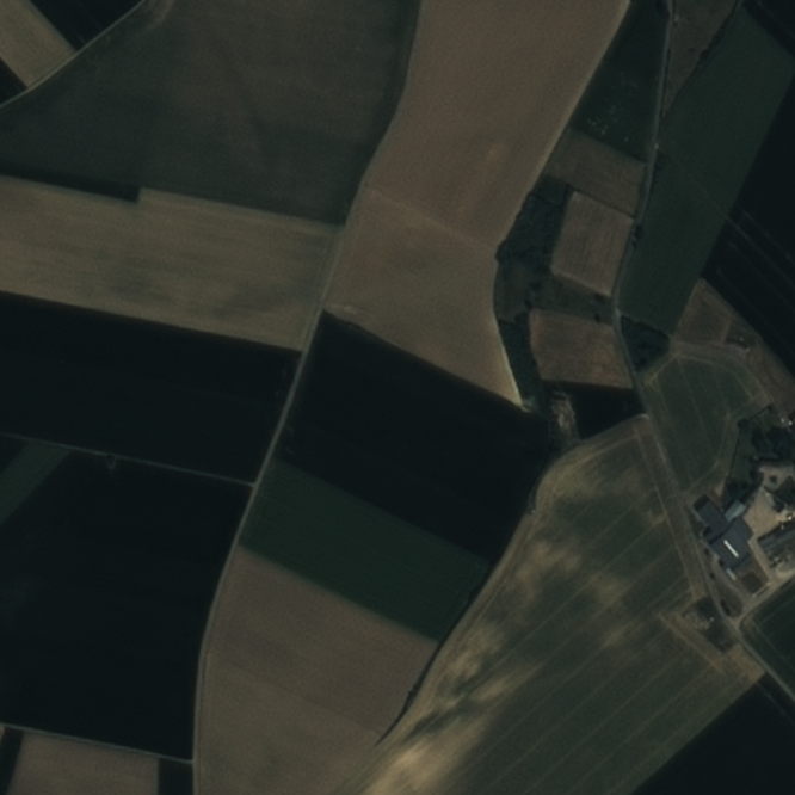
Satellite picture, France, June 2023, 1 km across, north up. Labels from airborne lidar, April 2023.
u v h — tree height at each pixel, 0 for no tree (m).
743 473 0
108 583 0
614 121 0
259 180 0
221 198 0
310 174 0
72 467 0
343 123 0
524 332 11
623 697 0
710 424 0
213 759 0
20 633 0
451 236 0
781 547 0
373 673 0
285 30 0
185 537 0
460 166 0
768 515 0
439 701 0
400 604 0
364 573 0
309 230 0
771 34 0
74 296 0
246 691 0
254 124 0
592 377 0
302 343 0
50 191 0
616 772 0
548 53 0
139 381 0
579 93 0
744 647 0
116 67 0
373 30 0
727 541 0
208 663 0
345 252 0
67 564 0
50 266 0
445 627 0
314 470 0
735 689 0
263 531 0
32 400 0
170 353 0
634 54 0
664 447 0
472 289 0
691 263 0
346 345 0
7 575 0
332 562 0
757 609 0
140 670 0
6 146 0
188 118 0
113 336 0
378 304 0
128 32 0
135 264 0
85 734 0
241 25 0
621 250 0
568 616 0
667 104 0
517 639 0
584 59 0
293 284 0
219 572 0
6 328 0
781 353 0
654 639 0
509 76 0
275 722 0
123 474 0
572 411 0
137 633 0
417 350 0
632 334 12
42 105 0
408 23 0
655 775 0
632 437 0
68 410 0
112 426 0
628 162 0
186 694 0
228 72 0
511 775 0
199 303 0
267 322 0
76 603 0
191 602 0
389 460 0
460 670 0
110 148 0
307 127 0
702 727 0
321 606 0
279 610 0
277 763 0
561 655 0
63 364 0
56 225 0
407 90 0
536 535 0
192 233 0
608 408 0
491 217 0
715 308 0
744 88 0
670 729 0
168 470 0
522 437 0
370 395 0
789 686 0
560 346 0
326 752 0
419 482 0
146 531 0
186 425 0
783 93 0
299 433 0
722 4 0
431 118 0
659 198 0
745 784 0
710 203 0
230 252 0
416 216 0
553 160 0
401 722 0
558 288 0
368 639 0
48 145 0
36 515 0
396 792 0
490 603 0
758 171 0
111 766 0
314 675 0
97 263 0
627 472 0
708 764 0
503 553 0
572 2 0
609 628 0
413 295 0
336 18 0
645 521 0
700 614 0
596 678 0
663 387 0
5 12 0
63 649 0
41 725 0
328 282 0
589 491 0
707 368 0
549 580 0
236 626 0
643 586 0
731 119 0
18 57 0
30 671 0
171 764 0
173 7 0
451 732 0
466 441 0
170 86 0
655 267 0
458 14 0
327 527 0
